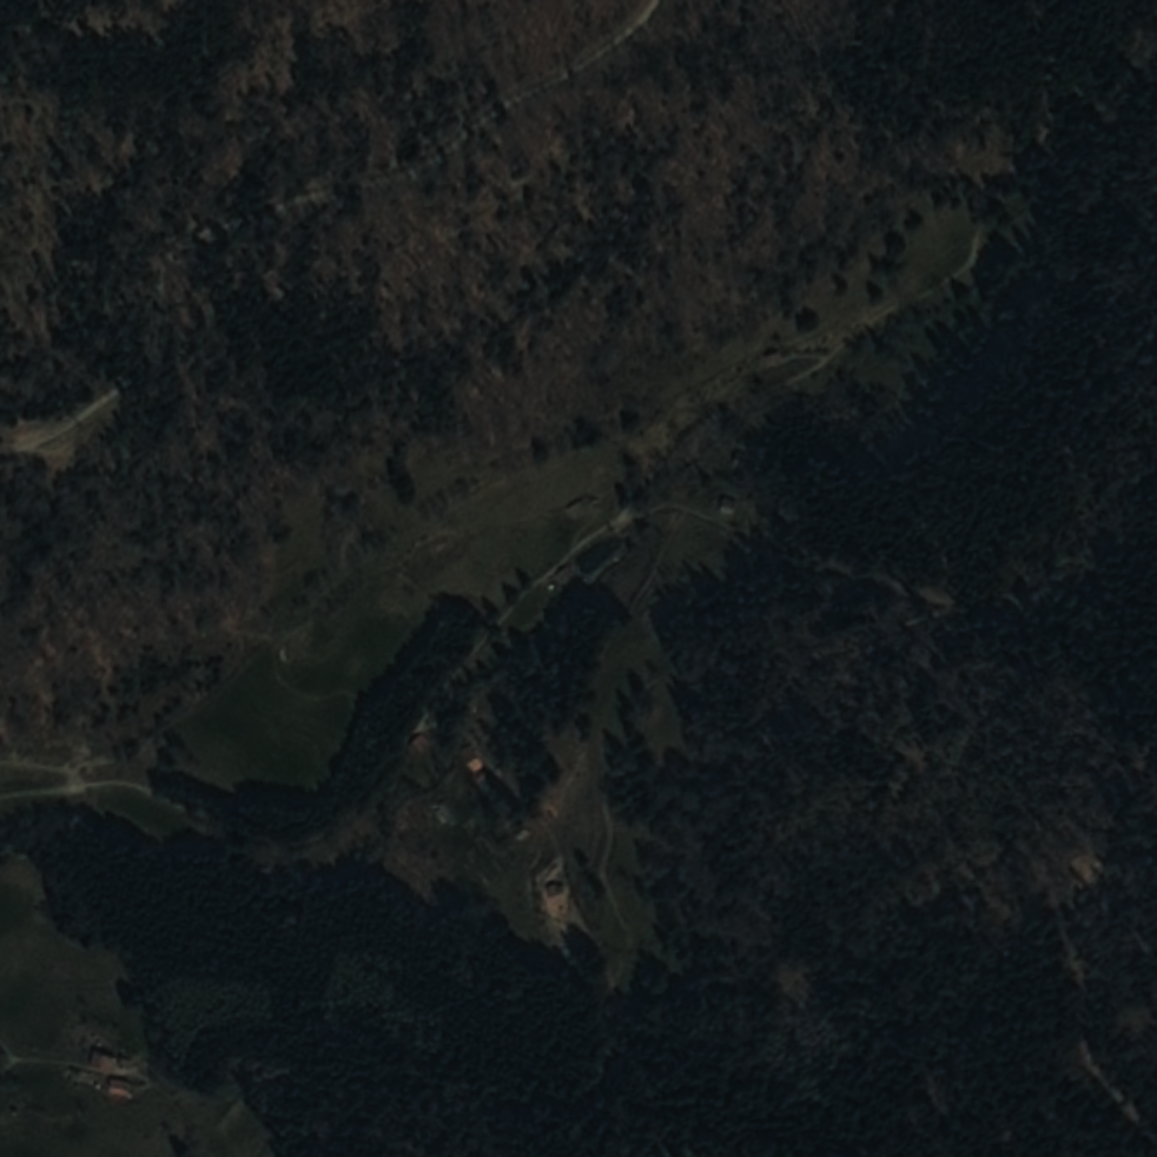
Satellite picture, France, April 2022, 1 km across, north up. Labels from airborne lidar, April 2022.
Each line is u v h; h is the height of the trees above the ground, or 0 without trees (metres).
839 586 10
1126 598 33
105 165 24
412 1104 32
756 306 20
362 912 32
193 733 0
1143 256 10
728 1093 39
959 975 31
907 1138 34
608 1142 33
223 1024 28
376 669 0
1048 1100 30
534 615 0
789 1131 20
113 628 31
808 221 24
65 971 0
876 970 36
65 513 26
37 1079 0
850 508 26
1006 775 6
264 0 20
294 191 24
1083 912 21
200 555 30
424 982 32
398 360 34
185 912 34
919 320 27
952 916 28
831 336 0
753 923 31
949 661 21
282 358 29
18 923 0
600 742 0
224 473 34
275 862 22
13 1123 0
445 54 23
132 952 25
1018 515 23
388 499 0
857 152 33
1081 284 25
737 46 23
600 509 0
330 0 18
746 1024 30
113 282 25
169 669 25
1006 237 0
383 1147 28
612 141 27
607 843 0
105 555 28
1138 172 30
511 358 36
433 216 25
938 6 28
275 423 33
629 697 0
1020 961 33
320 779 0
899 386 0
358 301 30
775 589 24
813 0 27
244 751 0
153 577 32
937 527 23
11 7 20
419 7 23
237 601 29
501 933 32
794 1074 29
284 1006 32
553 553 0
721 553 0
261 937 35
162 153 28
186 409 28
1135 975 29
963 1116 29
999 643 43
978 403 30
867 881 20
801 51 23
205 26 25
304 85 19
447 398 32
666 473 21
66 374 23
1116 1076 13
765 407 13
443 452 8
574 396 11
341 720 0
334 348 26
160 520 28
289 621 17
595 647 25
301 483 30
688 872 22
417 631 0
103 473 30
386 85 27
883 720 11
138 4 14
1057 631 38
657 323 23
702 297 27
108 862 31
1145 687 38
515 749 24
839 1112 30
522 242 31
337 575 20
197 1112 0
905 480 28
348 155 32
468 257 34
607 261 36
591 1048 30
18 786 0
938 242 0
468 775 0
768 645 32
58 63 23
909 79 24
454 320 26
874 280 0
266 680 0
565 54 17
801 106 34
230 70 28
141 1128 0
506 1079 33
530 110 29
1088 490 29
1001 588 33
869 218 18
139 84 24
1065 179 35
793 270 7
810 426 11
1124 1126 33
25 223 16
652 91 23
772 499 12
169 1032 21
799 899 29
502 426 28
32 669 30
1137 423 7
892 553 11
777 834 32
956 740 12
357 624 0
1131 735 35
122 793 0
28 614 23
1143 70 8
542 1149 34
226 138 30
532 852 0
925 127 29
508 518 0
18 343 10
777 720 9
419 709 35
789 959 24
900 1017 10
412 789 19
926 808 10
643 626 0
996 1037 34
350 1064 26
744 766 29
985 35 30
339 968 32
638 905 0
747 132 30
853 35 27
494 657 0
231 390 30
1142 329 30
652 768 30
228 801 26
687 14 21
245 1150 0
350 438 27
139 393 22
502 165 30
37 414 17
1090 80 27
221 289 31
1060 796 7
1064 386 29
